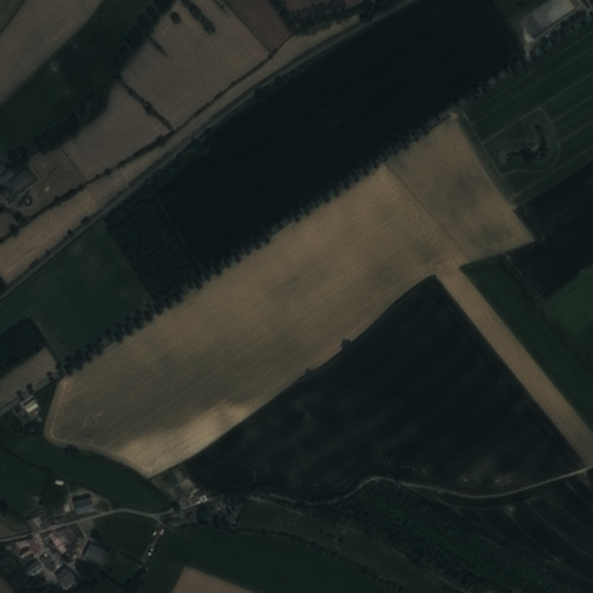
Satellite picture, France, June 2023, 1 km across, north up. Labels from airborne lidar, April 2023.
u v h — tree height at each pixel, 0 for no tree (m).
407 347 0
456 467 0
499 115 0
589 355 0
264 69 0
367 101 0
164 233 12
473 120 0
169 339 0
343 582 0
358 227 0
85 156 0
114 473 0
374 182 0
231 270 0
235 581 0
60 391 0
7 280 0
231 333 0
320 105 0
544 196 0
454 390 0
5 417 6
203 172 0
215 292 0
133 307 0
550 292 0
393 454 0
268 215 0
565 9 0
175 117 0
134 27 0
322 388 0
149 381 0
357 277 0
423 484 0
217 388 0
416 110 0
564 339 0
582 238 0
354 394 0
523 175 0
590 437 0
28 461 0
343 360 0
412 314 0
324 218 0
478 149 0
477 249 0
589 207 0
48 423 0
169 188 0
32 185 0
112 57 0
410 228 0
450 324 0
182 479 0
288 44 0
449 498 0
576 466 0
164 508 0
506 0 0
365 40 0
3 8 0
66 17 0
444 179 0
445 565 13
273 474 0
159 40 0
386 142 0
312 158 0
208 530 0
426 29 0
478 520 0
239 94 0
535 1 0
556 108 0
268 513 0
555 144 0
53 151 0
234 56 0
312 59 0
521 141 0
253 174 0
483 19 0
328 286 0
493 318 0
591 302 0
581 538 0
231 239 0
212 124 0
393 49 0
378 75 0
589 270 0
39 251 0
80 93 0
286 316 0
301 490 0
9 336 14
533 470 0
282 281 0
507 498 0
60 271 0
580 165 0
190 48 0
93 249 0
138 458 0
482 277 0
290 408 0
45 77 0
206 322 0
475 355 0
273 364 0
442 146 0
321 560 0
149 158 0
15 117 0
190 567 0
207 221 0
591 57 0
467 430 0
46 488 0
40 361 0
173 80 0
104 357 0
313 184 0
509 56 0
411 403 0
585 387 0
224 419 0
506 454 0
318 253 0
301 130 0
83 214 0
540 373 0
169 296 15
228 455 0
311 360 0
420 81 0
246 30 0
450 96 0
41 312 0
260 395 0
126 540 0
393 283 0
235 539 0
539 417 0
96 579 24
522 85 0
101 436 0
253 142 0
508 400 0
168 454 0
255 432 0
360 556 0
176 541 0
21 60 0
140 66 0
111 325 0
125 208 13
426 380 0
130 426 0
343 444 0
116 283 0
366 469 0
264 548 0
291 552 0
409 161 0
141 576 8
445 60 0
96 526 0
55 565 0
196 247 0
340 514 9
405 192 0
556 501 0
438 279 0
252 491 9
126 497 0
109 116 0
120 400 0
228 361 0
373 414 0
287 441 0
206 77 0
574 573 0
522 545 0
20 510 0
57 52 0
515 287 0
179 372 0
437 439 0
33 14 0
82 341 0
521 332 0
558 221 0
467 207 0
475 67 0
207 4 0
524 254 0
